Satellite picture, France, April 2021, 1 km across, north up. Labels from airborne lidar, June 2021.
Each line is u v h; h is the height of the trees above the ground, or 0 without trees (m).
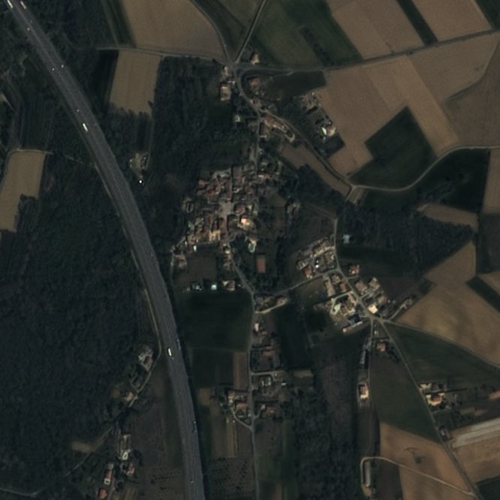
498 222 0
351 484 26
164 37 0
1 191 0
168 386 0
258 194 11
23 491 10
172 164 7
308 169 15
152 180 27
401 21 0
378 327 0
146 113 0
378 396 0
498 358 0
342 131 0
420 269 10
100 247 20
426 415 0
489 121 0
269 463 0
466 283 0
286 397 0
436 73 0
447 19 0
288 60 0
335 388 16
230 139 23
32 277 16
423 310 0
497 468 0
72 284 18
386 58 0
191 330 0
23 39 17
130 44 0
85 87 13
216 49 0
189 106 22
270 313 0
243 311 0
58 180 16
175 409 0
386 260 0
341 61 0
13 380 24
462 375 0
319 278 0
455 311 0
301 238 6
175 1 0
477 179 0
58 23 25
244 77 0
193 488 0
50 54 0
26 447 19
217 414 0
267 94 7
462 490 0
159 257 13
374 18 0
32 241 24
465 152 0
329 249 0
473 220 0
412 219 9
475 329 0
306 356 0
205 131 17
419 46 0
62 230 17
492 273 0
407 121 0
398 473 0
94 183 11
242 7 0
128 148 25
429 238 16
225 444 0
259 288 10
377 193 0
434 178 0
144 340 29
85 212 13
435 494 0
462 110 0
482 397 0
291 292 9
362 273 0
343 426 15
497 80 0
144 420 0
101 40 27
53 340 24
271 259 0
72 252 12
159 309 0
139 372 12
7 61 22
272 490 0
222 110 0
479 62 0
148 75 0
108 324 19
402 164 0
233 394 0
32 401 20
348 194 0
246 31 0
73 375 20
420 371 0
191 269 0
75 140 17
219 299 0
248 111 11
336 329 0
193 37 0
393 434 0
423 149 0
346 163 0
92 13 30
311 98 0
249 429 0
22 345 22
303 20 0
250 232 8
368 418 0
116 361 23
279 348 0
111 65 0
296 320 0
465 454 0
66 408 12
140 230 0
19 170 0
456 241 17
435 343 0
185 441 0
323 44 0
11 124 0
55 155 22
